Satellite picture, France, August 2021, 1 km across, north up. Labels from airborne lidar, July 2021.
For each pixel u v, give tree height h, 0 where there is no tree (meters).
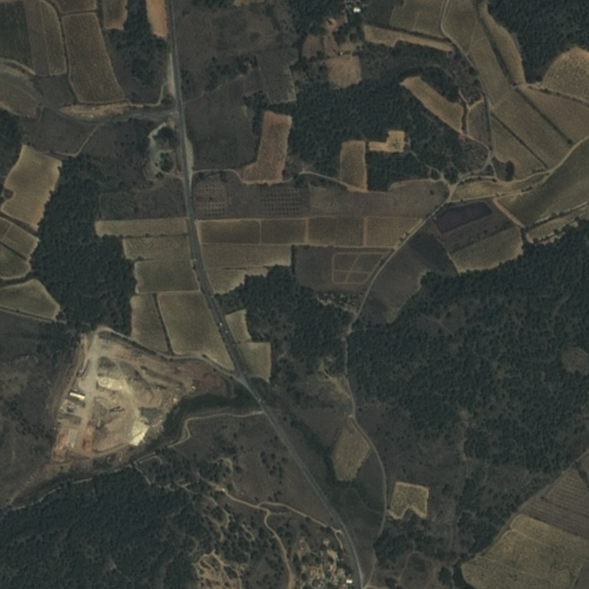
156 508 11
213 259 0
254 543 11
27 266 0
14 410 13
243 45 0
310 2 7
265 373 0
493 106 0
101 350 0
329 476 9
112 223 0
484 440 9
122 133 0
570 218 0
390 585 11
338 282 0
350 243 0
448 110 0
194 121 0
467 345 8
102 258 10
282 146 0
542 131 0
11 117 7
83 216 8
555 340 12
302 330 8
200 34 0
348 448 0
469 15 0
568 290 11
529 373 8
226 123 0
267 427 0
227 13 0
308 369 6
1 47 0
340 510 0
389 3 0
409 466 0
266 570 0
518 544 0
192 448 0
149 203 0
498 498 9
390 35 0
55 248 8
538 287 9
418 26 0
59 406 0
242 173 0
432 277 9
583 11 7
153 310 0
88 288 10
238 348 0
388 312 0
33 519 11
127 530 13
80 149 0
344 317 10
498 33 0
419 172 10
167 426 6
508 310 8
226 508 9
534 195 0
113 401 0
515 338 8
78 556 11
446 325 0
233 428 0
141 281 0
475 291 9
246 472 0
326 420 0
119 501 9
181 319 0
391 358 10
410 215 0
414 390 9
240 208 0
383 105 8
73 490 9
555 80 0
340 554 9
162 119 0
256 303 9
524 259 10
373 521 0
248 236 0
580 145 0
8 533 12
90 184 11
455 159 9
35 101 0
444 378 7
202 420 0
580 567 0
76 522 10
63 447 0
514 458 9
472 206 0
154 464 8
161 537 10
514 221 0
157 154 0
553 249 8
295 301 13
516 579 0
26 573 10
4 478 0
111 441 0
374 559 0
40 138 0
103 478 12
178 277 0
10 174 0
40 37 0
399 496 0
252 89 0
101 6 5
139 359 0
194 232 0
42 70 0
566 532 0
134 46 12
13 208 0
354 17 7
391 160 8
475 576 0
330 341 12
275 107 9
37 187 0
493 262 0
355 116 8
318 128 9
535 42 7
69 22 0
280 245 0
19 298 0
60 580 10
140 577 10
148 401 0
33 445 0
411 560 0
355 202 0
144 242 0
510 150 0
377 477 0
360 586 0
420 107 6
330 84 9
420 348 7
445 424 10
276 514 0
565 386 10
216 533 9
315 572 0
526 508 0
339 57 0
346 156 0
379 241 0
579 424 7
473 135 0
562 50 12
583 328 9
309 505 0
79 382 0
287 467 0
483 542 11
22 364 0
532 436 10
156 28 0
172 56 0
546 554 0
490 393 8
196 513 9
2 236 0
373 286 0
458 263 0
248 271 0
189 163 0
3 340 0
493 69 0
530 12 10
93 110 0
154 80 7
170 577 13
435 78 12
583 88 0
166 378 0
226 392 0
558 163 0
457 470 0
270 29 0
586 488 0
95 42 0
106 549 12
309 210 0
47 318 0
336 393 0
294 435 0
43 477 0
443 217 0
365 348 11
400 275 0
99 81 0
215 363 0
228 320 0
